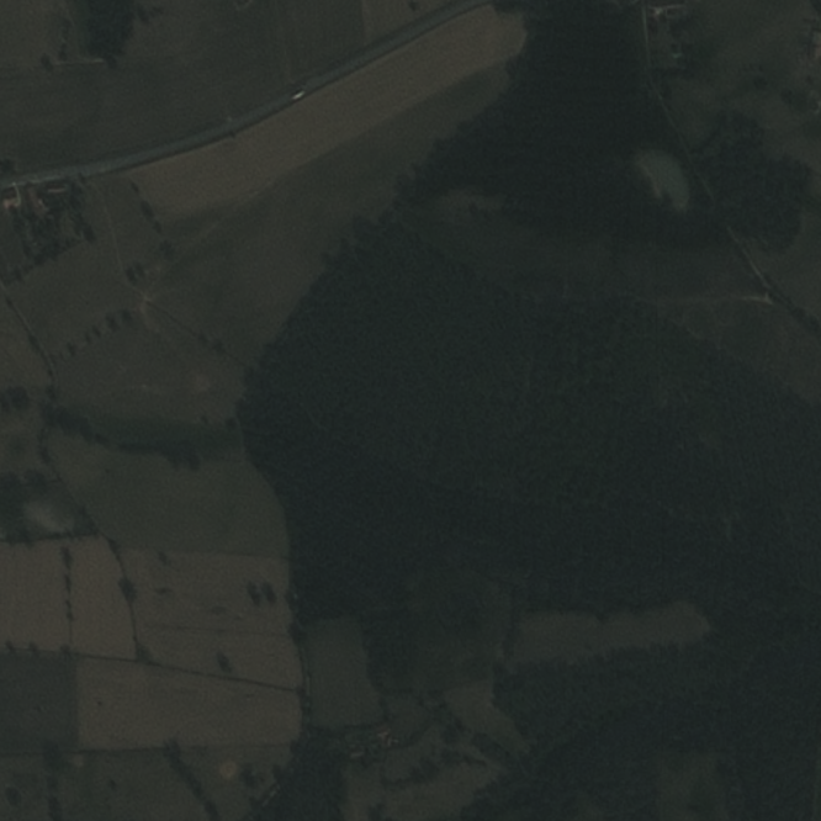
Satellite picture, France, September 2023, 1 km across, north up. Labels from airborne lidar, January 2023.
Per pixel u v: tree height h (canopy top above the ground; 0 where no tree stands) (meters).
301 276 0
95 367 0
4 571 0
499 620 0
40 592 0
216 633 0
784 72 0
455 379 17
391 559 17
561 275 0
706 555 20
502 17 0
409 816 0
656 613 0
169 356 0
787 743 15
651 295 0
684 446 14
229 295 0
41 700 0
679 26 9
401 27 0
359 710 0
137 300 0
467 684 0
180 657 0
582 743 19
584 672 15
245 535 0
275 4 0
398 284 18
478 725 0
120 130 0
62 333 0
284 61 0
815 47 0
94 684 0
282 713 0
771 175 15
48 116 0
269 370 17
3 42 0
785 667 21
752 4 0
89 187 0
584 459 20
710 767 0
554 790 12
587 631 0
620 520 21
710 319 0
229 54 0
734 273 0
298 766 15
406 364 14
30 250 12
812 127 0
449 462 18
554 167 17
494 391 13
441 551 25
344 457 22
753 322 0
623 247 0
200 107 0
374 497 22
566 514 17
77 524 0
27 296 0
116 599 0
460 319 16
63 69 0
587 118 17
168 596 0
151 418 0
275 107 0
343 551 17
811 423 14
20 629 0
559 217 17
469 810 6
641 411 15
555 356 13
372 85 0
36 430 0
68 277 0
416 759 0
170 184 0
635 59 19
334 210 0
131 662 0
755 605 24
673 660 16
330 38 0
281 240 0
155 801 0
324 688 0
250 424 10
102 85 0
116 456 0
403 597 17
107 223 0
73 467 0
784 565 14
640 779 17
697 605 19
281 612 0
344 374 17
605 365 7
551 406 17
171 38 0
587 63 23
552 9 19
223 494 0
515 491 15
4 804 0
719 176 19
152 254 0
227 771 0
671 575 23
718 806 0
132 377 0
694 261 0
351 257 15
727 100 0
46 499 0
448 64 0
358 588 21
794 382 0
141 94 0
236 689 0
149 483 0
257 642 0
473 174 15
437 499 17
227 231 0
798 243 0
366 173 0
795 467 14
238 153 0
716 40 0
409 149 0
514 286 0
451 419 17
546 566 19
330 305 18
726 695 13
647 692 15
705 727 22
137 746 0
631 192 16
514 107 14
